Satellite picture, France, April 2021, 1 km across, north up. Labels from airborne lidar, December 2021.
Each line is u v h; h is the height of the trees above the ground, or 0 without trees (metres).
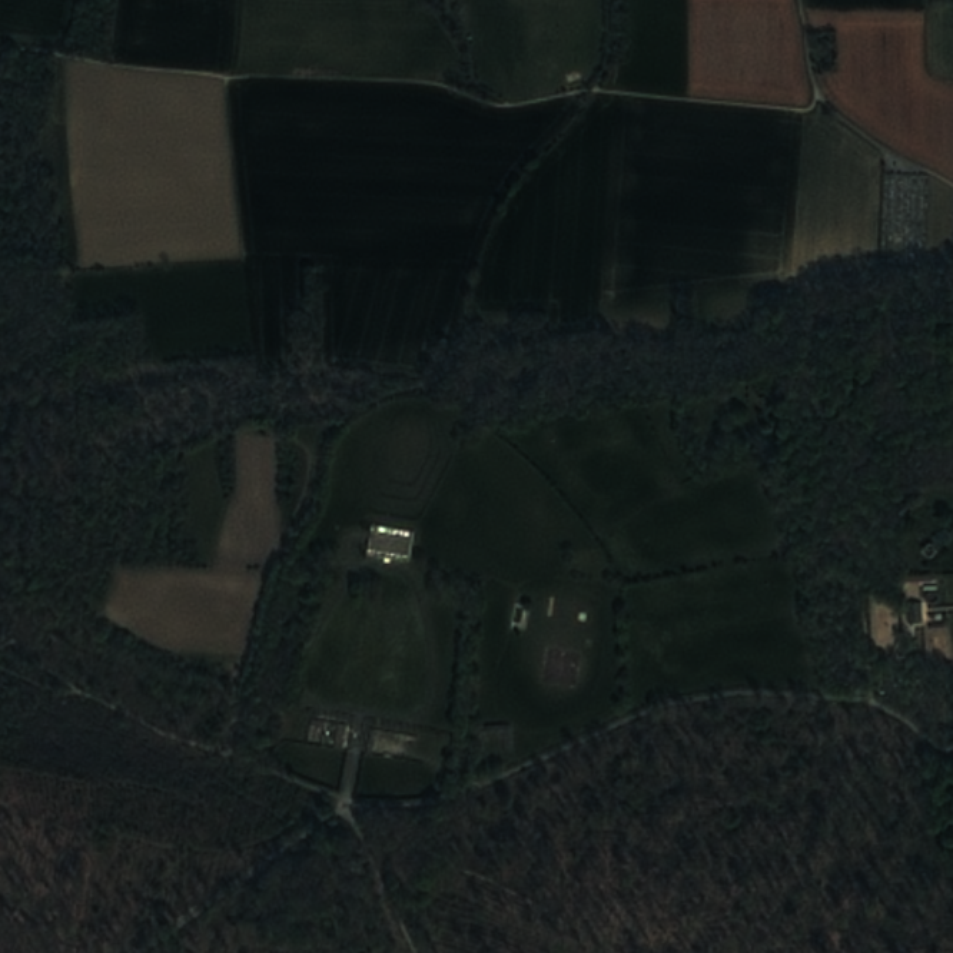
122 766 7
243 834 10
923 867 8
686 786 0
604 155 0
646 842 6
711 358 20
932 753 23
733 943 28
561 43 0
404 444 0
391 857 24
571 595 0
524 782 0
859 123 0
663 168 0
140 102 0
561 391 18
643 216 0
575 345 19
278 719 20
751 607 0
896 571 26
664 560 0
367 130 0
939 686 27
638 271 0
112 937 31
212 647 0
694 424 18
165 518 16
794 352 24
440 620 0
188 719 16
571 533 0
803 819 31
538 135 0
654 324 0
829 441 26
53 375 12
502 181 0
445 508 0
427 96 0
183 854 12
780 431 16
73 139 0
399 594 0
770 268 0
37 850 0
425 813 12
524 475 0
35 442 20
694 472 15
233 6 0
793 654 0
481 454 0
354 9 0
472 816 19
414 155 0
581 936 32
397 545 0
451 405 7
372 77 0
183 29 0
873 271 28
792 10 0
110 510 10
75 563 12
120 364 14
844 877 0
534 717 0
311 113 0
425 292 0
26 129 22
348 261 0
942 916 37
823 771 32
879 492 28
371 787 0
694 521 0
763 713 7
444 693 0
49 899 31
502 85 0
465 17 0
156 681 19
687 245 0
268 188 0
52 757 7
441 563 12
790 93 0
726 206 0
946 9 0
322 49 0
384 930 31
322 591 17
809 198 0
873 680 21
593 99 10
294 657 25
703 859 37
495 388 27
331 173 0
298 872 29
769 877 33
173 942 30
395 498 0
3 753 9
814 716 6
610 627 0
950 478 21
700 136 0
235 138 0
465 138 0
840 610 14
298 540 13
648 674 0
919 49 0
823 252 0
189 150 0
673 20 0
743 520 0
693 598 0
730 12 0
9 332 14
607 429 0
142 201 0
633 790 10
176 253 0
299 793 8
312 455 0
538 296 0
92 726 5
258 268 0
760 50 0
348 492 0
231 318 0
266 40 0
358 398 15
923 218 0
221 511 0
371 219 0
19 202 17
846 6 0
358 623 0
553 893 36
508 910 32
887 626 0
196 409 17
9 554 18
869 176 0
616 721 0
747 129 0
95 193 0
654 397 18
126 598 0
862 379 22
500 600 0
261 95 0
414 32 0
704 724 0
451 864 31
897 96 0
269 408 15
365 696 0
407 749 0
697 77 0
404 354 0
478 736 14
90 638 19
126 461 12
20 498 26
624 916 30
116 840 10
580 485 0
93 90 0
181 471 16
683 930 29
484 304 0
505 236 0
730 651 0
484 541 0
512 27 0
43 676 17
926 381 27
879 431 23
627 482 0
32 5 0
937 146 0
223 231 0
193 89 0
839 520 26
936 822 28
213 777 9
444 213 0
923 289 29
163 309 0
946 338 22
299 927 29
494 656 0
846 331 30
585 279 0
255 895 31
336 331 0
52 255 22
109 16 7
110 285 0
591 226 0
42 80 12
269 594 11
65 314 15
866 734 29
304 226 0
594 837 8
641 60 0
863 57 0
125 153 0
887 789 33
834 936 35
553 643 0
